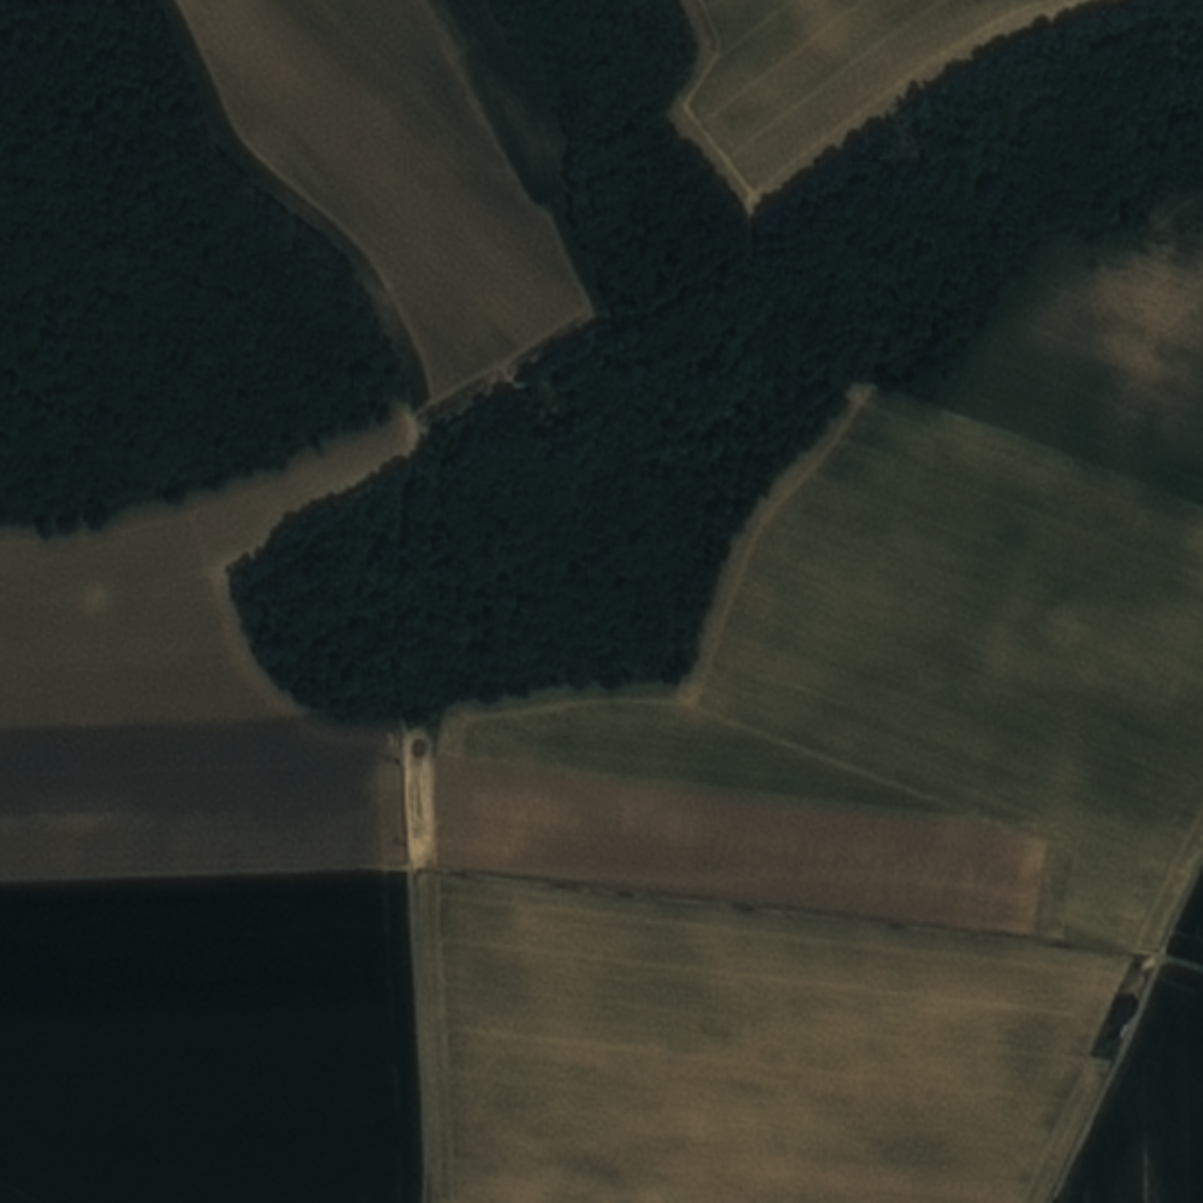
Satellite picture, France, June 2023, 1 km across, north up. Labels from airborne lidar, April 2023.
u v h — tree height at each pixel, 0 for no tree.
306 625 24
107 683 0
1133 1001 0
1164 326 0
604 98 23
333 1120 0
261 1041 0
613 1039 0
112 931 0
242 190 17
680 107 0
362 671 17
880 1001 0
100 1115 0
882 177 20
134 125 24
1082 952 0
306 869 0
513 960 0
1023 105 16
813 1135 0
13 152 23
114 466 20
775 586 0
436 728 0
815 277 22
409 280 0
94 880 0
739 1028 0
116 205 20
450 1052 0
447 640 17
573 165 17
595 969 0
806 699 0
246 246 24
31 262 23
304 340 24
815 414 19
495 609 18
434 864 0
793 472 0
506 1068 0
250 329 24
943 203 20
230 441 22
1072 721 0
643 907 0
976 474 0
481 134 0
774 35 0
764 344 22
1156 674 0
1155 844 0
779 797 0
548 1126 0
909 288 23
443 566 20
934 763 0
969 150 20
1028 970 0
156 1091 0
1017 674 0
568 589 16
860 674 0
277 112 0
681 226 27
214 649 0
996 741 0
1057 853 0
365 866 0
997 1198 0
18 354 21
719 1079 0
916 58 0
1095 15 18
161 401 25
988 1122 0
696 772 0
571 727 0
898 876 0
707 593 15
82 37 29
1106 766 0
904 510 0
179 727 0
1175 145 21
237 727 0
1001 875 0
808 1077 0
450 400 0
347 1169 0
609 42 22
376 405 23
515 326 0
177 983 0
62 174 19
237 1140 0
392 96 0
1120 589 0
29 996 0
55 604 0
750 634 0
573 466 23
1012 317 0
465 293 0
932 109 16
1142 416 0
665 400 22
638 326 19
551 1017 0
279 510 0
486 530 20
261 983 0
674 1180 0
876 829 0
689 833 0
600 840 0
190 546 0
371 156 0
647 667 19
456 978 0
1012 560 0
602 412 16
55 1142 0
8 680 0
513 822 0
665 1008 0
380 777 0
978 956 0
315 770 0
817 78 0
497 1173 0
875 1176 0
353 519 13
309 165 0
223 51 0
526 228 0
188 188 22
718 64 0
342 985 0
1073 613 0
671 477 20
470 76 0
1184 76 19
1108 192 22
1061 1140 0
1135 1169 0
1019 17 0
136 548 0
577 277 0
